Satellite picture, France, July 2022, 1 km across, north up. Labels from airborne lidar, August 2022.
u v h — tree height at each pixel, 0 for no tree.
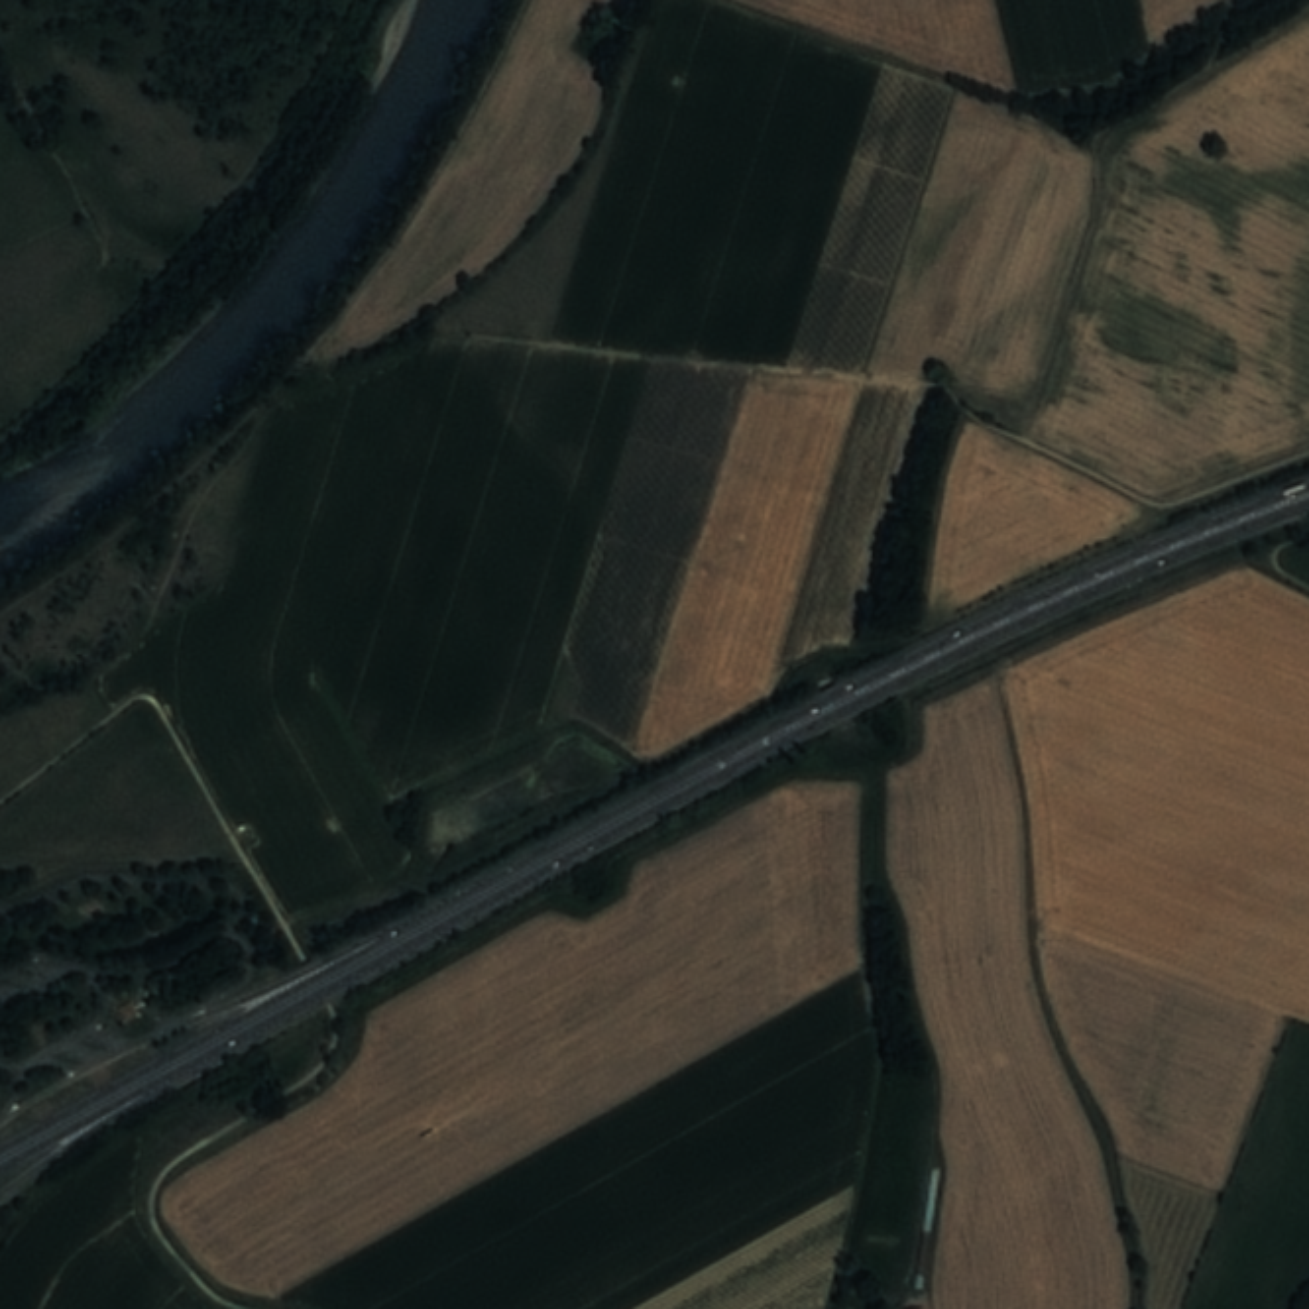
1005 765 0
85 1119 0
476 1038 0
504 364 0
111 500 17
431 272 0
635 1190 0
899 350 0
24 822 0
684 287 0
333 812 0
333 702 0
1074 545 0
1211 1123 0
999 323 0
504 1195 0
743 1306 0
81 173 0
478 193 0
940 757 0
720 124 0
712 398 0
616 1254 0
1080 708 0
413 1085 0
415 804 13
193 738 0
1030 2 0
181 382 0
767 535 0
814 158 0
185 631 0
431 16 0
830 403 0
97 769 0
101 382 14
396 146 0
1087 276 0
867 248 0
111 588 0
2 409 0
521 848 9
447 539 0
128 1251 0
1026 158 0
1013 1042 0
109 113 0
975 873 0
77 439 12
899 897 0
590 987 0
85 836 0
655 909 0
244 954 17
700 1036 0
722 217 0
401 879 0
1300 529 11
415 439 0
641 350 0
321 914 0
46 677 7
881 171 0
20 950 18
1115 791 0
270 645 0
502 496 0
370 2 14
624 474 0
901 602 20
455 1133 0
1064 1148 0
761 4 0
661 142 0
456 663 0
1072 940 0
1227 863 0
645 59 0
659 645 0
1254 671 0
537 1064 0
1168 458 0
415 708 0
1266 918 0
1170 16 0
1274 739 0
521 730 0
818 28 0
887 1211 0
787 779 0
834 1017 0
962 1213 0
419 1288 0
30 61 0
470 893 0
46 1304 0
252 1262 0
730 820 0
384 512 0
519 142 0
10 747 0
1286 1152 0
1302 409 0
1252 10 18
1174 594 0
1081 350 0
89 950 18
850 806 0
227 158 0
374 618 0
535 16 0
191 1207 0
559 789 0
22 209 0
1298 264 0
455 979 0
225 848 0
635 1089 0
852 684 0
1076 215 0
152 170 0
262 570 0
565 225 0
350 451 0
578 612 0
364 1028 0
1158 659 0
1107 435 0
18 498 0
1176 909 0
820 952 0
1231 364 0
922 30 0
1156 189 0
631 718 0
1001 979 0
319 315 13
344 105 23
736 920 0
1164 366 0
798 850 0
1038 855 0
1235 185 0
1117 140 0
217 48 6
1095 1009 0
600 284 0
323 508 0
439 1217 0
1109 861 0
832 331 0
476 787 0
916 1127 0
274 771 0
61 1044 0
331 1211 0
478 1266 0
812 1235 0
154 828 0
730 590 0
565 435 0
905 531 19
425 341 11
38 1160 0
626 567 0
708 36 0
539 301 0
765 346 0
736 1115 0
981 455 0
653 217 0
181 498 6
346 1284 0
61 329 0
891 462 0
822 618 0
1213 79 0
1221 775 0
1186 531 0
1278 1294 0
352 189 0
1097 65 0
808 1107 0
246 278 21
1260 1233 0
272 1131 0
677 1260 0
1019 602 0
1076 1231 0
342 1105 0
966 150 0
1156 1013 0
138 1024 0
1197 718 0
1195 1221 0
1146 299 0
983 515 0
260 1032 0
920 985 0
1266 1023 0
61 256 0
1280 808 0
